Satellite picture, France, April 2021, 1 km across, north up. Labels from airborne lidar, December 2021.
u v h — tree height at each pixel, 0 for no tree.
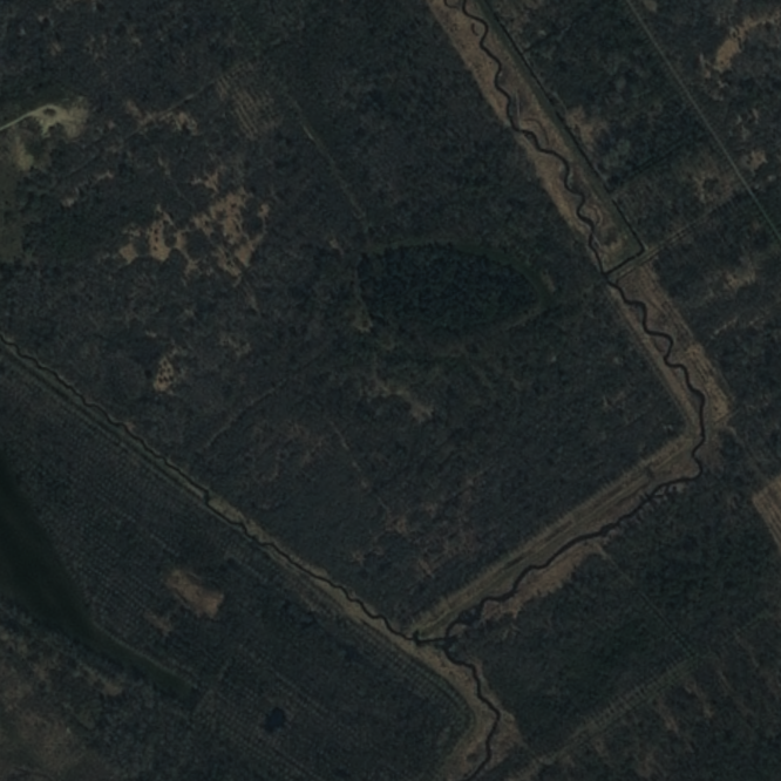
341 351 23
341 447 9
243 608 19
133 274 8
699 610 8
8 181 0
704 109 27
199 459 14
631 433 7
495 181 9
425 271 12
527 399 8
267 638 8
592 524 0
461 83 7
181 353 13
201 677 19
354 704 11
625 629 13
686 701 19
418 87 20
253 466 6
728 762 24
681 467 0
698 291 24
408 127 6
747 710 17
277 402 10
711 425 0
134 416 14
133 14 6
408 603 8
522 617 8
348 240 8
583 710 9
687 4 23
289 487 12
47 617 0
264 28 14
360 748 12
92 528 15
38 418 13
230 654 7
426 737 12
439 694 21
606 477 6
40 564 0
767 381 18
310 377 11
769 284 10
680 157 24
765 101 20
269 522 8
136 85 6
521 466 9
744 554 9
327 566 8
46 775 0
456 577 10
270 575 8
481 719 0
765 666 20
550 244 13
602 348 20
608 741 6
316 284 18
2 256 0
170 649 15
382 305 11
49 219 6
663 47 27
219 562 16
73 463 14
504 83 0
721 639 13
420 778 24
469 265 10
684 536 9
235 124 7
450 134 15
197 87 11
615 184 14
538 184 7
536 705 7
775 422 18
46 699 7
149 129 6
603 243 0
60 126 0
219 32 24
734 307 11
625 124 11
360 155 12
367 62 7
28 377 23
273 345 13
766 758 20
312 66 18
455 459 7
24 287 17
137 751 35
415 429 6
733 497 13
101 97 8
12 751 0
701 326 10
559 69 6
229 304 20
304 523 8
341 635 6
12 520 0
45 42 6
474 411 7
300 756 14
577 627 8
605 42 19
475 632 17
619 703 15
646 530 23
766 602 9
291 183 12
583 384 7
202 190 6
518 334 16
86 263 14
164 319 6
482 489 7
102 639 0
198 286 8
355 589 6
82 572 22
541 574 0
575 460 6
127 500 9
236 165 19
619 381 12
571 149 0
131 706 21
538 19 16
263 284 11
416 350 11
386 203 19
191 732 26
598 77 20
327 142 7
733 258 23
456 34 0
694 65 6
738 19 6
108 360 20
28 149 0
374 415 17
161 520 11
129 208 7
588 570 5
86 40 7
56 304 15
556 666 7
